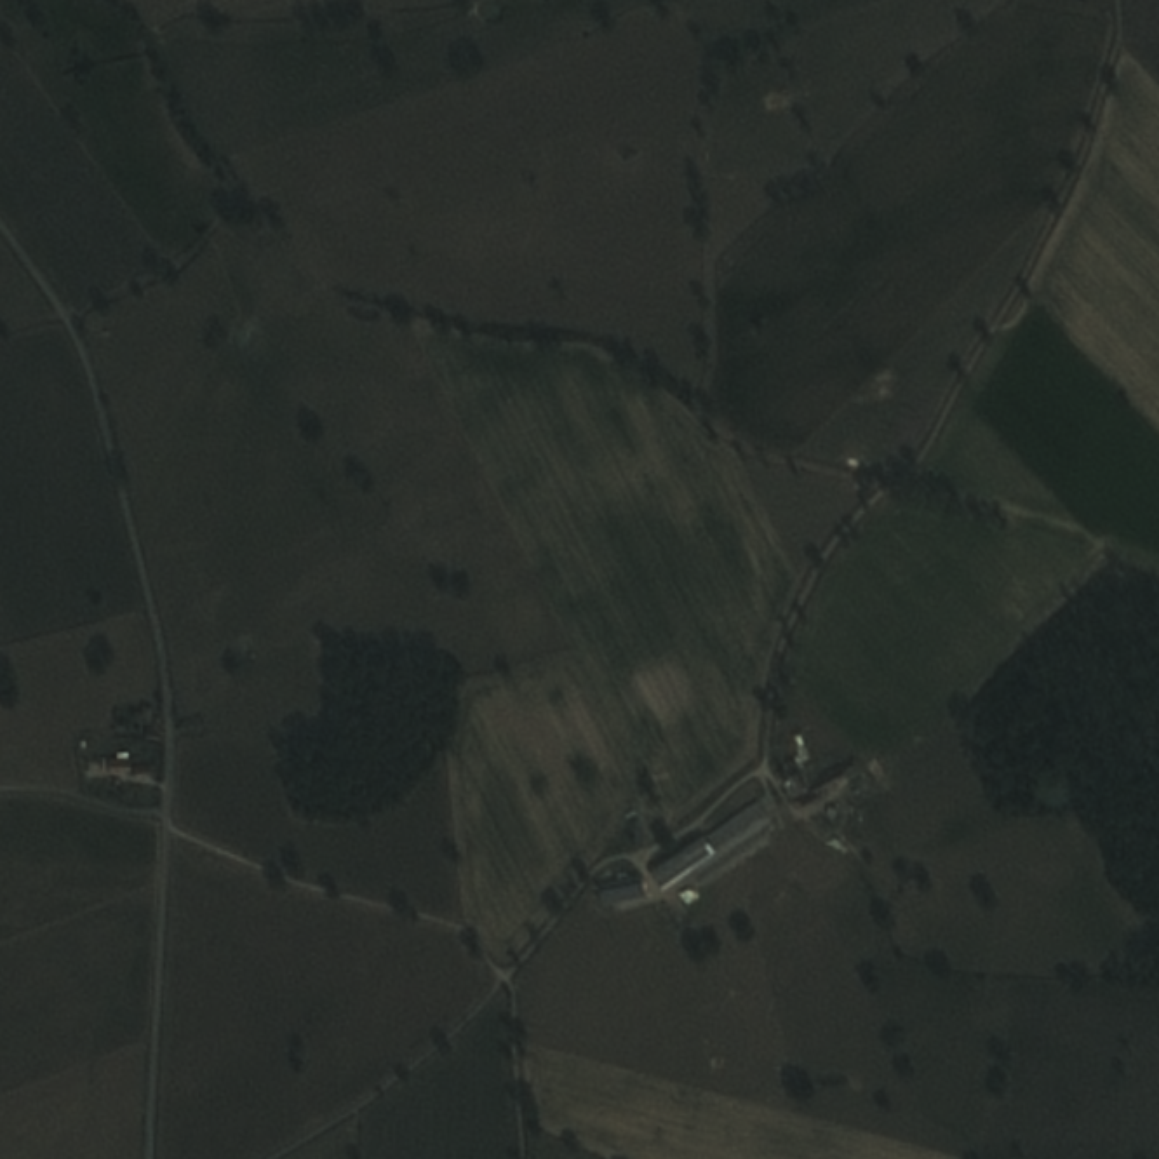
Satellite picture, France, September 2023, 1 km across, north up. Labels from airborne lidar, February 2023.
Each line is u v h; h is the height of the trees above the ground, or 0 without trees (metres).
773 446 0
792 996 0
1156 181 0
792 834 0
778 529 0
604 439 0
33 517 0
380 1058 0
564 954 0
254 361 0
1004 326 0
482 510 0
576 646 0
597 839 0
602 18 17
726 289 0
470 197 0
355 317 0
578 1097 0
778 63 0
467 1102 0
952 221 0
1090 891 0
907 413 0
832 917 0
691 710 0
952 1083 0
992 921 0
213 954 0
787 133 0
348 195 0
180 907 0
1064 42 0
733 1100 0
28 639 0
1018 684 6
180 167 0
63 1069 0
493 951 0
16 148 0
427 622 0
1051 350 0
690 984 0
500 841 0
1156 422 0
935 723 0
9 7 0
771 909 0
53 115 0
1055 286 0
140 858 0
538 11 0
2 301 0
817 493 0
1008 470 0
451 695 10
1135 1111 0
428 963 0
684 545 0
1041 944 0
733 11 0
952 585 0
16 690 8
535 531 0
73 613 0
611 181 0
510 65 0
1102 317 0
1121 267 0
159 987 0
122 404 0
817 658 0
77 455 0
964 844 0
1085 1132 0
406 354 0
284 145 0
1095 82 0
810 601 0
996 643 0
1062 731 25
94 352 0
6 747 0
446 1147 0
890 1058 0
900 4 0
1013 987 0
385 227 0
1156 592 22
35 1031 0
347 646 10
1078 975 13
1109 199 0
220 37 0
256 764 0
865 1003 0
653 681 0
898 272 0
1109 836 19
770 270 0
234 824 0
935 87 0
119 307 0
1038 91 0
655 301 0
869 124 0
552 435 0
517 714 0
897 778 0
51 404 0
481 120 0
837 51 0
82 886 0
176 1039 0
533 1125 12
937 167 0
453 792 0
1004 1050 16
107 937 0
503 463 0
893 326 0
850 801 0
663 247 0
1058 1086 0
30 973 0
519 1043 12
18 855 0
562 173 0
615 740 0
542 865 0
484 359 0
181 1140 0
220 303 0
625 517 0
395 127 0
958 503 16
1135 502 0
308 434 16
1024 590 0
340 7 18
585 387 0
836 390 0
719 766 0
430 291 0
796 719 0
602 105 0
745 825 0
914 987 0
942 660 0
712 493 0
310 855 0
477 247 0
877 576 0
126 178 0
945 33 0
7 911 0
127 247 0
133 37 0
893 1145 0
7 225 0
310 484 0
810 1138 0
